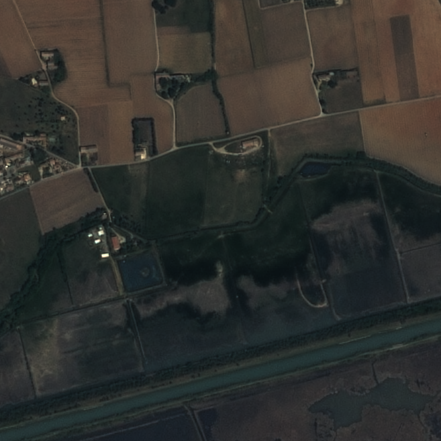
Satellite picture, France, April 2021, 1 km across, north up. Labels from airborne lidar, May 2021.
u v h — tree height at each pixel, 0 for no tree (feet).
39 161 29
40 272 28
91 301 0
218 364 24
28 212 0
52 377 0
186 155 0
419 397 0
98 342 0
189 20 0
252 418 0
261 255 0
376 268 0
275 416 0
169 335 0
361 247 0
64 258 27
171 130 0
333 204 0
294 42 0
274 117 0
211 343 0
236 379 0
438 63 0
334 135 0
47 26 0
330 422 0
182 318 0
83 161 32
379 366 0
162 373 32
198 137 0
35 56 0
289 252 0
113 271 0
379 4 0
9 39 0
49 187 0
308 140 0
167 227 0
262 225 0
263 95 0
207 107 0
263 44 0
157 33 0
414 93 0
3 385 0
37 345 0
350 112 0
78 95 0
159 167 0
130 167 0
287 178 20
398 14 0
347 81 0
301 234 0
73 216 0
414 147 0
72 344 0
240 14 0
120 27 0
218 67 0
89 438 0
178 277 0
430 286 0
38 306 0
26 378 0
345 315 0
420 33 0
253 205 0
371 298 0
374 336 0
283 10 0
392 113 0
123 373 0
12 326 32
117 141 0
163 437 0
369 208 0
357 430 0
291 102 0
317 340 24
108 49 0
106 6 0
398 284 0
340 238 0
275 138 0
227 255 0
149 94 0
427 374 0
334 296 0
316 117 0
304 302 0
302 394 0
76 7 0
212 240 0
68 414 0
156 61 0
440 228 0
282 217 0
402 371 0
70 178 0
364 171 0
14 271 0
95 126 0
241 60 0
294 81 0
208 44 0
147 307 0
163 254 0
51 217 0
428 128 0
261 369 0
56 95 0
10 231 0
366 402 0
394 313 23
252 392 0
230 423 0
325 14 0
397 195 0
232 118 0
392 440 0
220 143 0
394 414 0
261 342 0
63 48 0
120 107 0
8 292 0
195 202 0
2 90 0
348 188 0
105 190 0
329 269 0
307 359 0
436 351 0
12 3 0
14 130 0
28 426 0
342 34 0
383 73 0
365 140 0
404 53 0
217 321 0
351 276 0
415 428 0
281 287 0
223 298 0
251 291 0
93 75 0
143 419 0
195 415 0
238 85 0
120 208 0
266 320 0
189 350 0
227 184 0
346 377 0
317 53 0
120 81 0
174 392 0
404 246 0
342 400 0
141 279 0
